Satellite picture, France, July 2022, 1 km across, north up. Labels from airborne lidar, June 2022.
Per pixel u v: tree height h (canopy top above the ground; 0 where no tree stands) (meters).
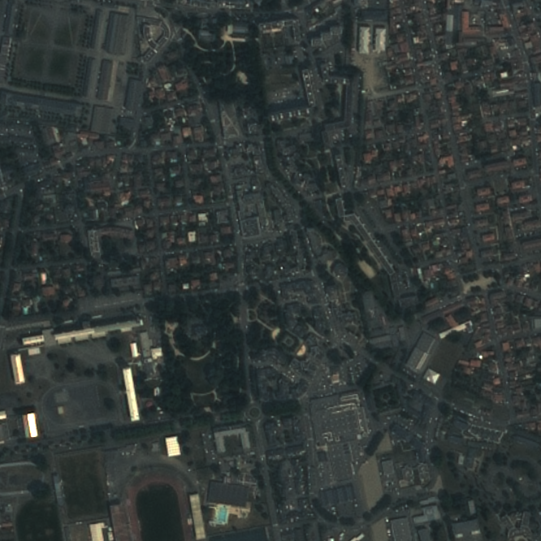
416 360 0
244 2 0
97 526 0
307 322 7
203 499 0
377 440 11
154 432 12
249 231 0
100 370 12
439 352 0
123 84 0
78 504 0
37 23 0
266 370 0
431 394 0
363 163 10
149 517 0
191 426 18
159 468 0
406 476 0
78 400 0
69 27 0
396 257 11
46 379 0
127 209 0
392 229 0
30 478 0
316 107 19
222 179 7
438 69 0
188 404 17
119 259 23
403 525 0
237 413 14
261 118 14
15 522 0
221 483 0
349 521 9
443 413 19
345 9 13
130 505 0
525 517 0
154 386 0
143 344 0
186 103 7
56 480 0
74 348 0
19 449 10
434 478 0
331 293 0
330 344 6
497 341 0
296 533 0
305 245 8
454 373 7
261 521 0
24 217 11
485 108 0
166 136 0
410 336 0
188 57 20
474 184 0
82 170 0
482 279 0
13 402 0
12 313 6
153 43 0
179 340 20
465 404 0
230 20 22
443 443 0
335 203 14
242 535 0
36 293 18
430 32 0
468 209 0
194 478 0
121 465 0
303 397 0
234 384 23
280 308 11
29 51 0
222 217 0
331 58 0
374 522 0
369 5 0
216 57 15
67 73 0
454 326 0
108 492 0
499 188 0
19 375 0
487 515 8
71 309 20
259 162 0
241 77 0
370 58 0
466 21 0
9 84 7
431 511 0
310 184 0
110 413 0
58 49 0
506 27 0
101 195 7
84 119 8
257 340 17
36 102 0
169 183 8
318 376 0
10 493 0
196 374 0
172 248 15
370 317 0
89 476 0
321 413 0
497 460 13
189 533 0
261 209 0
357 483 0
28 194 12
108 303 0
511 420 0
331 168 10
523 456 0
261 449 0
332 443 0
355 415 0
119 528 0
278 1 14
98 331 0
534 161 0
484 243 0
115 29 0
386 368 0
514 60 0
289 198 0
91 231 0
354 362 0
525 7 0
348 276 7
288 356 7
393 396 13
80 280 13
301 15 0
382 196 7
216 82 14
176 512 0
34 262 9
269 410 19
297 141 14
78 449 0
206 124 10
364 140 7
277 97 0
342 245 11
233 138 0
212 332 9
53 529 0
